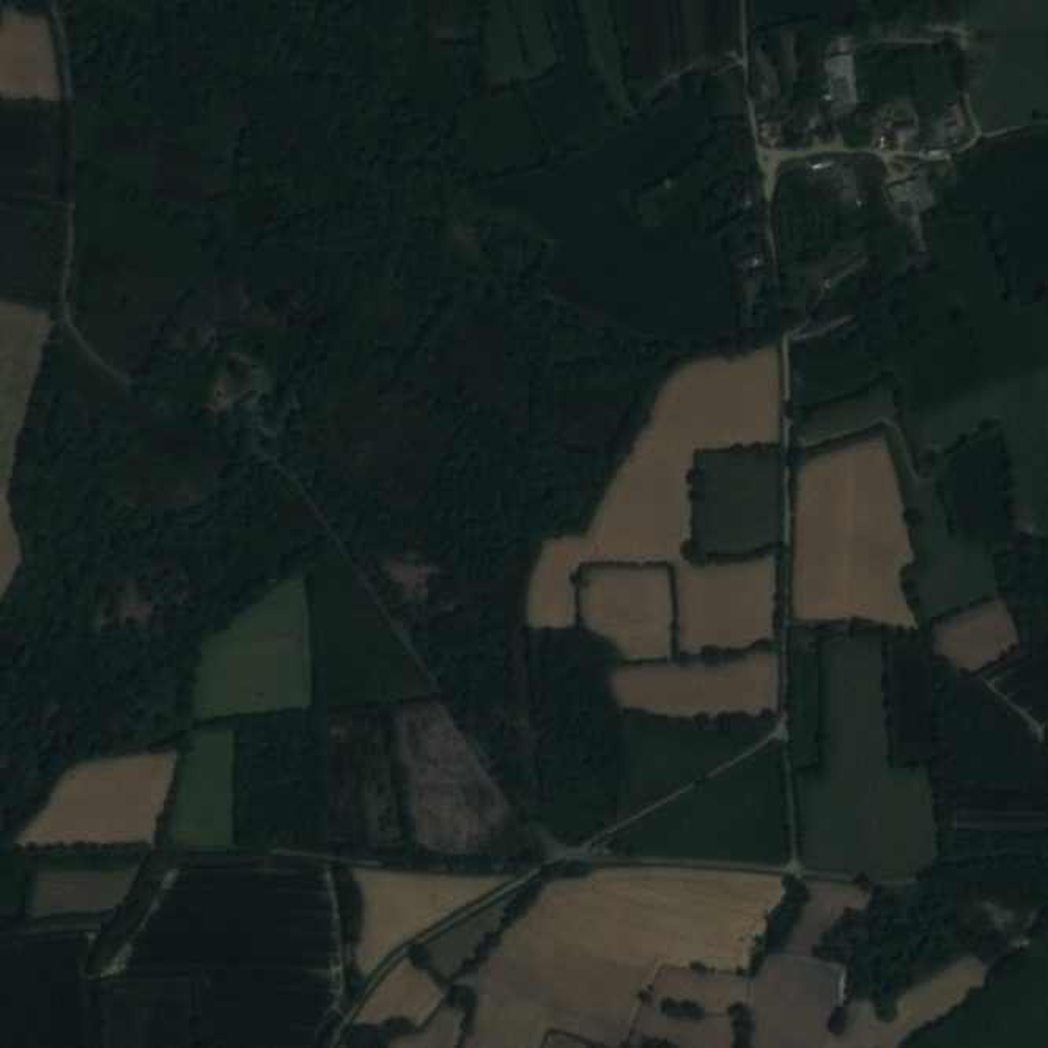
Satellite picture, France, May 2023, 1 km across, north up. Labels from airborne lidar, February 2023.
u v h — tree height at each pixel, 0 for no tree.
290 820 16
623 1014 0
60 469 12
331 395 21
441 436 0
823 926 0
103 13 9
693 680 0
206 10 18
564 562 0
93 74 20
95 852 12
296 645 0
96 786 0
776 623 8
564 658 14
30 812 7
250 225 0
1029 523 0
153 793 0
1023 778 13
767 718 14
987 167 0
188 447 0
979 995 14
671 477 0
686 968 0
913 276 16
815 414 8
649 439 0
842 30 9
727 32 0
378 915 0
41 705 14
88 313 0
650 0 0
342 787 0
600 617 0
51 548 5
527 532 18
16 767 13
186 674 14
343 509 8
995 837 8
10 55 0
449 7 0
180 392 8
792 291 9
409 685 0
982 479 0
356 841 0
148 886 10
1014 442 0
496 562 17
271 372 0
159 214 10
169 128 14
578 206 0
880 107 0
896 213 0
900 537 0
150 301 0
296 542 0
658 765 0
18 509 22
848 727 0
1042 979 0
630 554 0
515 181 13
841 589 0
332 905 0
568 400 0
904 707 0
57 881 0
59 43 8
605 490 7
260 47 15
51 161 0
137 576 6
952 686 17
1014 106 0
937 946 12
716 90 19
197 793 0
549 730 9
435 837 0
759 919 0
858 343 20
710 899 0
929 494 0
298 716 11
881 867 0
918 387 0
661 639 0
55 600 8
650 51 0
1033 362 0
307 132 18
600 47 0
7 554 0
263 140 16
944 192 0
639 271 0
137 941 0
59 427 10
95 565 16
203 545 18
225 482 16
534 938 0
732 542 0
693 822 0
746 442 0
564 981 0
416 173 16
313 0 8
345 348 18
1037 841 12
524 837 0
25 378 0
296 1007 0
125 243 0
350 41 18
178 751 13
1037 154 0
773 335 23
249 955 0
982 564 0
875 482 0
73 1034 0
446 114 0
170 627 15
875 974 7
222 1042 0
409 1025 9
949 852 9
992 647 0
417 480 0
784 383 0
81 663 17
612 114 11
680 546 0
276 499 12
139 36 17
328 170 18
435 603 7
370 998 0
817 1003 0
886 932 12
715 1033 0
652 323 0
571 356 0
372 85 17
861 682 0
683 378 0
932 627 6
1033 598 22
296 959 0
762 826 0
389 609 9
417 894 0
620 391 0
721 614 0
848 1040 0
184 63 15
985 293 0
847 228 7
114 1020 0
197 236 8
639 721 11
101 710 18
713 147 14
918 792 0
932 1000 0
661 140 0
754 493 0
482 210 0
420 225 13
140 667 18
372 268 19
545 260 10
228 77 20
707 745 0
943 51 11
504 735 11
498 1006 0
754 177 9
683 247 0
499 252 18
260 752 9
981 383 0
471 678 10
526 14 0
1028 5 0
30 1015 0
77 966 0
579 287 0
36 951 0
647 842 0
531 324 20
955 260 0
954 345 0
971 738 19
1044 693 0
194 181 0
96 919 8
